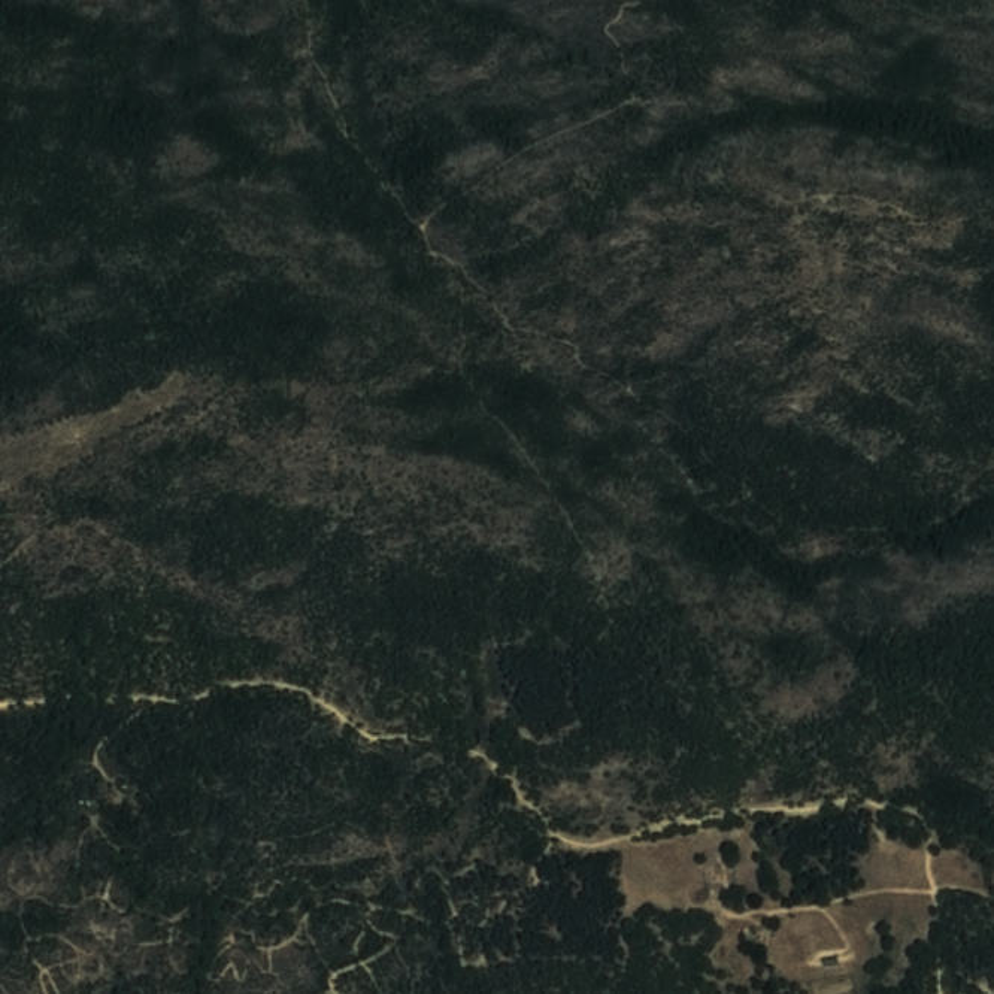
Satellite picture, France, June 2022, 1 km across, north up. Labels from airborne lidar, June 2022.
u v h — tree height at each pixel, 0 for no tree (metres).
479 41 6
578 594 7
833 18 6
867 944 0
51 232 6
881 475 7
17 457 0
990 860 6
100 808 6
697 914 11
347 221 6
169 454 7
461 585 8
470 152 0
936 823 9
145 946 0
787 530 6
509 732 8
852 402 6
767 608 0
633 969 9
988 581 0
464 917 6
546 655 10
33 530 0
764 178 0
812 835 12
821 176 0
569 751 7
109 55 7
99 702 8
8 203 6
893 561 0
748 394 6
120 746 8
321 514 5
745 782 7
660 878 0
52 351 6
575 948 14
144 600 8
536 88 0
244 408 7
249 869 7
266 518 7
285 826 6
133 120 8
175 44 11
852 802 9
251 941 6
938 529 7
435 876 7
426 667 6
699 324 0
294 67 8
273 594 7
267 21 0
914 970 9
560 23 0
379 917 6
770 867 11
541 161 0
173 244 6
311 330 9
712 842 0
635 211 0
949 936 9
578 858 14
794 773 6
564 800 0
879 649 9
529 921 13
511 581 10
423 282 5
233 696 10
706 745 10
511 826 7
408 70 8
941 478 6
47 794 9
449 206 5
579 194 7
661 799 6
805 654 6
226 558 8
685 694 6
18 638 6
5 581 8
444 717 7
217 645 8
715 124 6
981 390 7
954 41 0
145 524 7
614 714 7
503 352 8
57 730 12
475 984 7
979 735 9
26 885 0
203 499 7
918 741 6
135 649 10
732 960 0
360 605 10
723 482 5
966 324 0
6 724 8
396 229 6
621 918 9
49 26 6
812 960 0
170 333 5
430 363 7
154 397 0
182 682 11
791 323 7
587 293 6
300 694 6
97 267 9
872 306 0
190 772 8
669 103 0
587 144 0
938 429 8
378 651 6
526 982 8
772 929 11
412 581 11
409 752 6
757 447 9
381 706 6
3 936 7
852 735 8
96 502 8
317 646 6
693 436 7
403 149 7
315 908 6
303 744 8
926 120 10
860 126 6
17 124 6
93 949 0
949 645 10
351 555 10
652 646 12
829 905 12
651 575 9
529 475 6
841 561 9
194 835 7
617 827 7
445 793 8
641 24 0
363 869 7
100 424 0
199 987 10
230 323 6
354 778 7
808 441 10
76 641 10
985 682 10
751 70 0
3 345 6
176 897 10
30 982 7
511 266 8
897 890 0
